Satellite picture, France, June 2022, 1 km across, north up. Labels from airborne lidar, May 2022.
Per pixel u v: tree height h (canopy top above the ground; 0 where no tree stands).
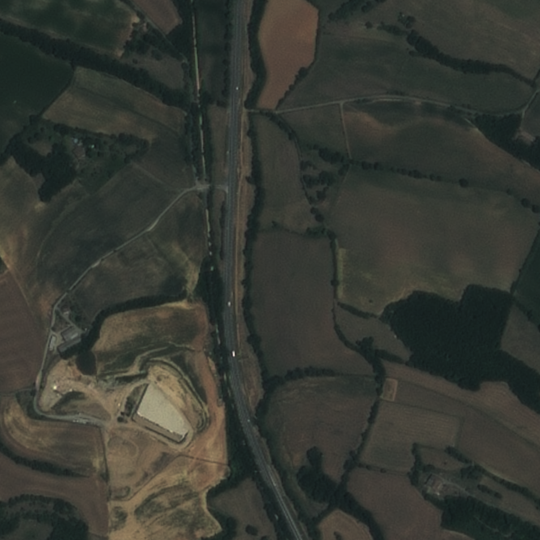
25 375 0
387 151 0
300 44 0
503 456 0
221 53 0
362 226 0
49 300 0
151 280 0
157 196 0
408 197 0
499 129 14
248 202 0
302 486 10
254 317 15
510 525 16
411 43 17
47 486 0
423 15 0
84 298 0
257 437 0
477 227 0
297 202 0
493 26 0
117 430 0
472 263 0
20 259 0
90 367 0
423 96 0
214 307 13
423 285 0
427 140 0
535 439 0
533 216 0
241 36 0
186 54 5
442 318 16
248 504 0
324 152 20
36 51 0
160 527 0
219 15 0
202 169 10
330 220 0
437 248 0
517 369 13
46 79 0
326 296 0
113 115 0
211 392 0
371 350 15
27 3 0
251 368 0
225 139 0
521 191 0
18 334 0
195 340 0
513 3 0
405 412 0
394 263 0
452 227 0
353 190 0
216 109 0
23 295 0
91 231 0
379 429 0
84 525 12
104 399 0
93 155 21
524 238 0
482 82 0
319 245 0
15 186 0
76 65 18
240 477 18
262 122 0
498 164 0
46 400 0
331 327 0
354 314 9
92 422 0
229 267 0
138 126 0
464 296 8
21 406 0
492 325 16
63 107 0
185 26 9
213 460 0
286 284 0
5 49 0
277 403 0
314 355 0
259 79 10
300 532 0
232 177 0
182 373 0
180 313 0
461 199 0
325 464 0
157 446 0
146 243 0
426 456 0
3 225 0
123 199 0
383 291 0
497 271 0
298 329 0
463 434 0
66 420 0
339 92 0
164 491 0
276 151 0
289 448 0
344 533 0
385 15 0
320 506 0
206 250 0
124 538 0
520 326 0
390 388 0
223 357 12
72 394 0
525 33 0
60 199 0
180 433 0
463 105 7
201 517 0
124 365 0
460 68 13
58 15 0
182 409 0
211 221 9
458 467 0
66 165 20
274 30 0
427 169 0
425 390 0
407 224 0
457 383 11
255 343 22
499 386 0
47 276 0
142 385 0
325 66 0
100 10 0
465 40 0
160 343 0
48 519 9
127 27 0
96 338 13
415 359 14
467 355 14
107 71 17
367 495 0
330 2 0
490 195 0
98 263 0
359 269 0
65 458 0
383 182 0
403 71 0
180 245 0
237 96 0
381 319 8
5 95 0
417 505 0
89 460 0
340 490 13
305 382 0
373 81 0
